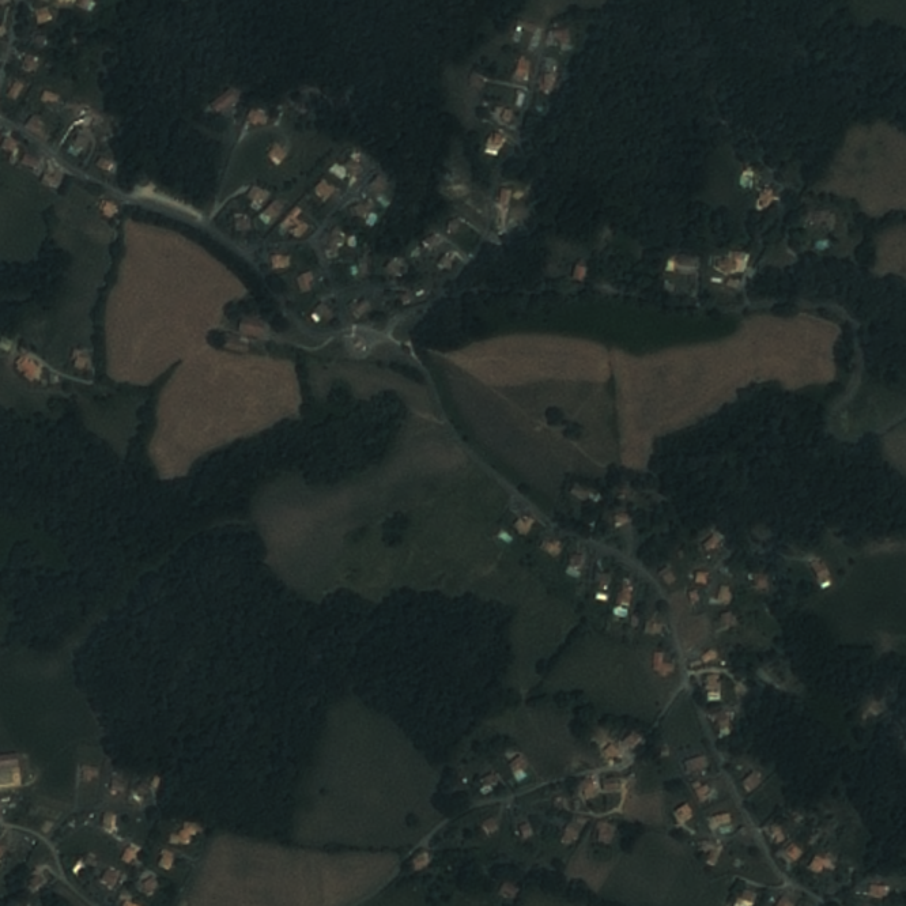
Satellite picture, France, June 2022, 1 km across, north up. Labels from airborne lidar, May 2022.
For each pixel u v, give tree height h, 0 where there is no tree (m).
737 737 17
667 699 0
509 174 17
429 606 16
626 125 15
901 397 0
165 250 0
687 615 0
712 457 26
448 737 15
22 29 13
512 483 0
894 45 24
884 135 0
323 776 0
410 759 0
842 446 21
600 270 10
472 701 23
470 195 0
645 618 6
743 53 25
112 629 22
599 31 20
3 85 0
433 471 0
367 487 0
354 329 0
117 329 0
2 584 18
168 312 0
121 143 22
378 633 29
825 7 26
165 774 18
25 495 20
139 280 0
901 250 0
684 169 22
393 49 24
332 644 23
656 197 22
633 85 11
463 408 0
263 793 22
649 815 0
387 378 0
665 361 0
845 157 0
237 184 0
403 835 0
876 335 22
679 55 20
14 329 12
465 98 0
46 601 19
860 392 0
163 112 20
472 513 0
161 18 13
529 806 0
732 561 12
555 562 0
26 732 0
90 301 0
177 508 12
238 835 11
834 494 20
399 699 23
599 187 7
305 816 0
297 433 10
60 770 0
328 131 21
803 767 23
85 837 0
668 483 18
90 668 18
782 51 26
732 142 15
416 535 0
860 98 27
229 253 13
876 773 24
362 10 20
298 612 24
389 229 9
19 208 0
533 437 0
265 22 24
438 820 0
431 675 23
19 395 0
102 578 15
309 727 21
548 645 0
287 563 0
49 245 10
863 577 0
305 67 23
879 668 17
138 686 21
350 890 0
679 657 7
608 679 0
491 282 18
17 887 9
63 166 0
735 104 20
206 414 0
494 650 11
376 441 10
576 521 9
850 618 0
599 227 10
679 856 0
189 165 23
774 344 0
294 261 0
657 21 24
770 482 26
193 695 24
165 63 15
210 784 26
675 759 0
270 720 23
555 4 0
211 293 0
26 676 0
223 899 0
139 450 7
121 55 9
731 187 0
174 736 8
